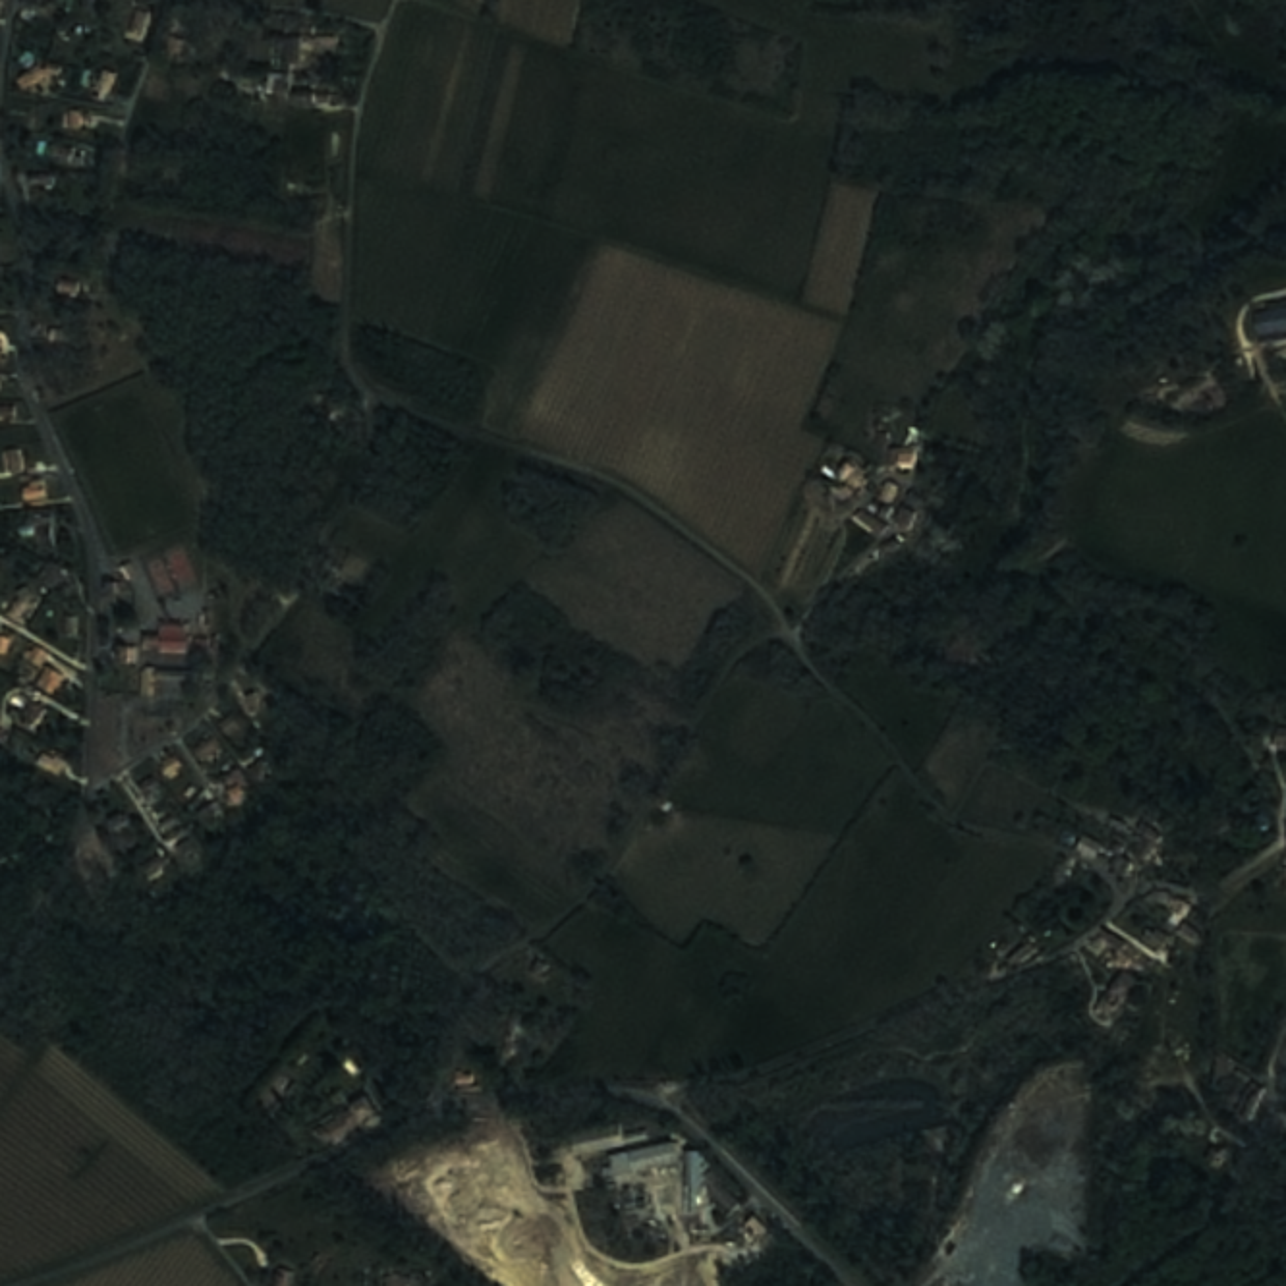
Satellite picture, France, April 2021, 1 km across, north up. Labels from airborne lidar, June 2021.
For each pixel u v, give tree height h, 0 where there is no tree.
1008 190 8
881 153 8
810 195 0
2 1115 0
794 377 0
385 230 0
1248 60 0
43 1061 0
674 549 0
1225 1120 15
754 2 0
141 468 0
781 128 0
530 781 0
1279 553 0
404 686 9
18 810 16
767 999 0
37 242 20
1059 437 18
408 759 14
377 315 0
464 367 7
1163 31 17
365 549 0
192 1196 0
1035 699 20
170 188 6
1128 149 18
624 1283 0
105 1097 0
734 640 11
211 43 20
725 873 0
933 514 6
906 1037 14
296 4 0
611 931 0
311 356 20
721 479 0
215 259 19
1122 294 23
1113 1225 18
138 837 9
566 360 0
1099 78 18
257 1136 13
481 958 18
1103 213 17
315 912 29
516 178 0
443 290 0
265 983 18
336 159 0
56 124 9
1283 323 0
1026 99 19
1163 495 0
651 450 0
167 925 18
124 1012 20
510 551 0
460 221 0
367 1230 11
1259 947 0
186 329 24
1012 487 14
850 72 0
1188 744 16
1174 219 20
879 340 0
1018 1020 13
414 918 11
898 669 10
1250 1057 7
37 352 13
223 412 15
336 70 15
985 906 0
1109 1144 15
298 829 18
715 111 0
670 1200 0
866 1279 6
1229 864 8
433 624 17
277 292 15
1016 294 18
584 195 0
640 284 0
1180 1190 31
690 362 0
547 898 0
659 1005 0
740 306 0
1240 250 18
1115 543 0
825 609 14
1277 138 0
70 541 11
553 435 0
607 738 0
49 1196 0
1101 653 22
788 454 0
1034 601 30
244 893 30
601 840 0
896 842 0
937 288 0
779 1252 16
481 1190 0
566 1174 0
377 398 0
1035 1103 0
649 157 0
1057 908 9
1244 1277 25
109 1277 0
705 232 0
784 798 0
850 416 0
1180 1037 0
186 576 0
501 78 0
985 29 11
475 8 0
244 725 11
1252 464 0
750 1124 26
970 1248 0
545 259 0
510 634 6
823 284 0
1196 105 20
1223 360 7
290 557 14
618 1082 6
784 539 0
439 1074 18
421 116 0
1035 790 0
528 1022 12
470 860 0
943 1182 7
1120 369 14
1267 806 12
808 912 0
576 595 0
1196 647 20
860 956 0
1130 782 12
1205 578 0
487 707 0
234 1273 0
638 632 0
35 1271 0
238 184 20
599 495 16
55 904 20
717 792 0
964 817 0
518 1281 0
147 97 0
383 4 0
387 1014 20
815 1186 24
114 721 0
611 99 0
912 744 0
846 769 0
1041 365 19
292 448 16
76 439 0
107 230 11
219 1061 17
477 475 0
